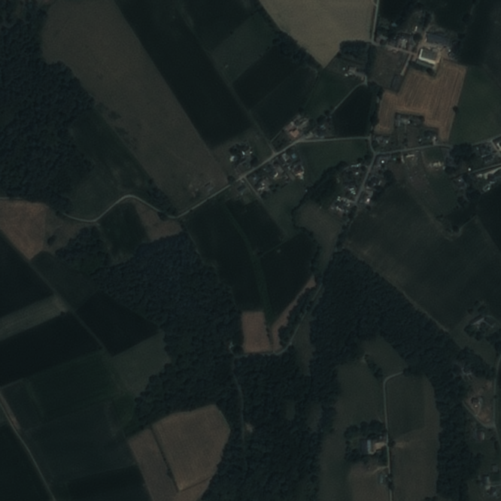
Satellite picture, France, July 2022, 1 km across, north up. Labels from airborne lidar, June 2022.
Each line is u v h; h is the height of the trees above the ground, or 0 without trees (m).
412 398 0
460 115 0
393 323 20
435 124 0
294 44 27
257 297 0
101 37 0
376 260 0
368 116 0
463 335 0
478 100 0
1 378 0
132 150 0
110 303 0
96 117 0
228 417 5
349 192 6
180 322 17
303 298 15
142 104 0
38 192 23
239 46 0
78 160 7
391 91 0
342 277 14
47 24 0
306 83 0
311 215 0
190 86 0
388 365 0
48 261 0
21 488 0
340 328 16
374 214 0
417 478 0
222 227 0
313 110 0
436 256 0
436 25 0
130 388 0
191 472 0
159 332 0
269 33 0
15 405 0
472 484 0
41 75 24
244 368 14
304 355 0
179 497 0
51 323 0
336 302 16
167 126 0
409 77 0
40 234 0
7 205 0
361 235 0
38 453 0
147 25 0
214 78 0
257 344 0
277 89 0
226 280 0
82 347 0
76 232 0
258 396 20
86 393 0
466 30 0
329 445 0
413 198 0
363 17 0
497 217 0
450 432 22
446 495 17
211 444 0
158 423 0
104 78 0
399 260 0
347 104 0
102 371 0
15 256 0
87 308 0
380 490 0
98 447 0
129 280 12
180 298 24
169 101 0
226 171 0
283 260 0
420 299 0
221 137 0
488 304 0
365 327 25
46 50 0
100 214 0
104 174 0
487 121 0
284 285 0
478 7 0
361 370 0
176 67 0
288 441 21
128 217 0
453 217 0
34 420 0
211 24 0
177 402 17
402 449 0
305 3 0
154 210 0
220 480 25
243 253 0
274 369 16
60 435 0
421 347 27
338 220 0
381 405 0
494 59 0
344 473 0
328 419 22
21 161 7
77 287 0
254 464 21
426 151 0
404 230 0
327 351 16
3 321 0
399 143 0
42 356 0
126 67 0
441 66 0
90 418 0
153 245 18
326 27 0
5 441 0
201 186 0
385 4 0
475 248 0
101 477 0
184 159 0
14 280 0
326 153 0
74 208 21
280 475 29
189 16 0
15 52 17
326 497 0
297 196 0
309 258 0
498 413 0
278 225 0
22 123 12
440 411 12
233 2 0
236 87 0
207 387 22
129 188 0
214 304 15
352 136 0
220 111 0
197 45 0
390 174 20
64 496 0
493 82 0
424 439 0
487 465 0
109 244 0
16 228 0
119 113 0
